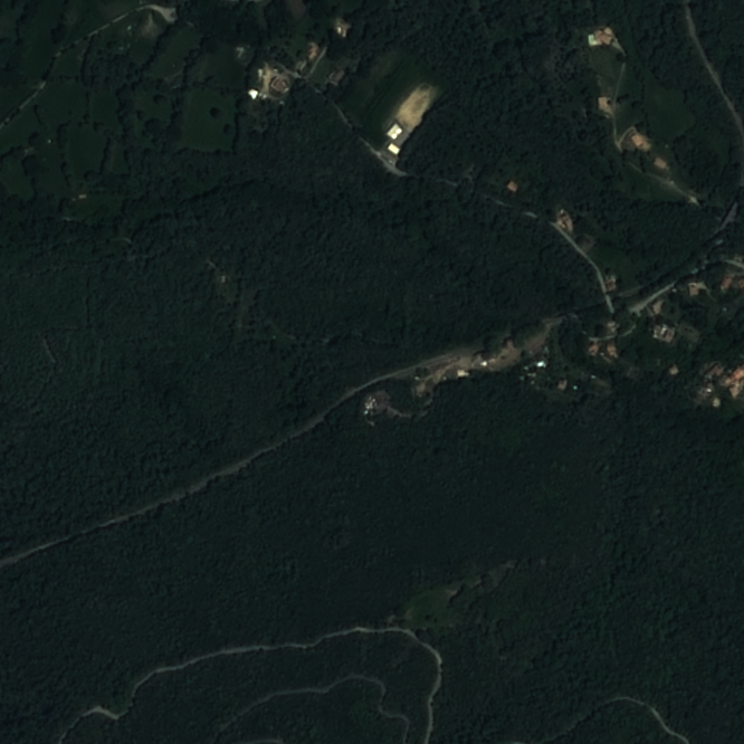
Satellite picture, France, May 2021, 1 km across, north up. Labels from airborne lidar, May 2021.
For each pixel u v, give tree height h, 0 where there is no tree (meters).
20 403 15
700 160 13
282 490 7
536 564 15
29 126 0
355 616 6
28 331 11
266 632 9
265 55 14
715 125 12
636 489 13
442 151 10
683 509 13
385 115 0
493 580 14
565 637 14
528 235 13
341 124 9
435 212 18
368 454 7
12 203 17
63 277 8
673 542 8
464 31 8
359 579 7
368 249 18
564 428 7
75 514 13
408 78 0
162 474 18
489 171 14
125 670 10
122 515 11
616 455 12
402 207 26
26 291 9
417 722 8
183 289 11
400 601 9
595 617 13
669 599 16
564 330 11
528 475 6
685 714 11
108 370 10
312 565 7
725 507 10
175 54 0
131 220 16
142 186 13
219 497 11
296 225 19
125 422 14
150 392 15
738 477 16
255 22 15
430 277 19
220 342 11
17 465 15
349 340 13
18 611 11
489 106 16
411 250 16
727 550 9
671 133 0
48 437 11
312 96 15
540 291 21
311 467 10
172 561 12
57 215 20
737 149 12
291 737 11
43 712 6
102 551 7
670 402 8
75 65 0
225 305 14
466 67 7
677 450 11
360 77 16
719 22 7
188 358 17
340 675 6
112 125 0
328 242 13
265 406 11
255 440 13
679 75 14
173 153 12
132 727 6
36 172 17
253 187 22
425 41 10
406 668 6
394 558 7
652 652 8
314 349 14
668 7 9
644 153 10
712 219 17
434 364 0
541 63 20
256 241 17
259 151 14
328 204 10
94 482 14
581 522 8
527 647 14
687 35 13
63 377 13
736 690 11
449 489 9
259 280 11
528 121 16
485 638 15
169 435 12
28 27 18
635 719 12
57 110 0
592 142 18
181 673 7
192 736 7
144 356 14
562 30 8
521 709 17
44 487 14
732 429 20
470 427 12
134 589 10
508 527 7
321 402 16
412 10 16
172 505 12
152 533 16
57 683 12
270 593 11
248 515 14
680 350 6
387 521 8
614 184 18
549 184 9
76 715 13
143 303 14
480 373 10
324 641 6
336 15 13
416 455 12
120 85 11
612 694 11
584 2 16
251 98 13
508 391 8
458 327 19
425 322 8
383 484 9
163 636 9
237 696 7
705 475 14
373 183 16
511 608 10
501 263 8
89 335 9
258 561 8
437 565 8
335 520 8
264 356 16
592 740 11
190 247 15
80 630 7
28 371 9
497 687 15
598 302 18
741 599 10
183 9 14
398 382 9
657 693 14
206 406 16
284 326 8
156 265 13
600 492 6
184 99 16
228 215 17
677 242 13
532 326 23
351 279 12
